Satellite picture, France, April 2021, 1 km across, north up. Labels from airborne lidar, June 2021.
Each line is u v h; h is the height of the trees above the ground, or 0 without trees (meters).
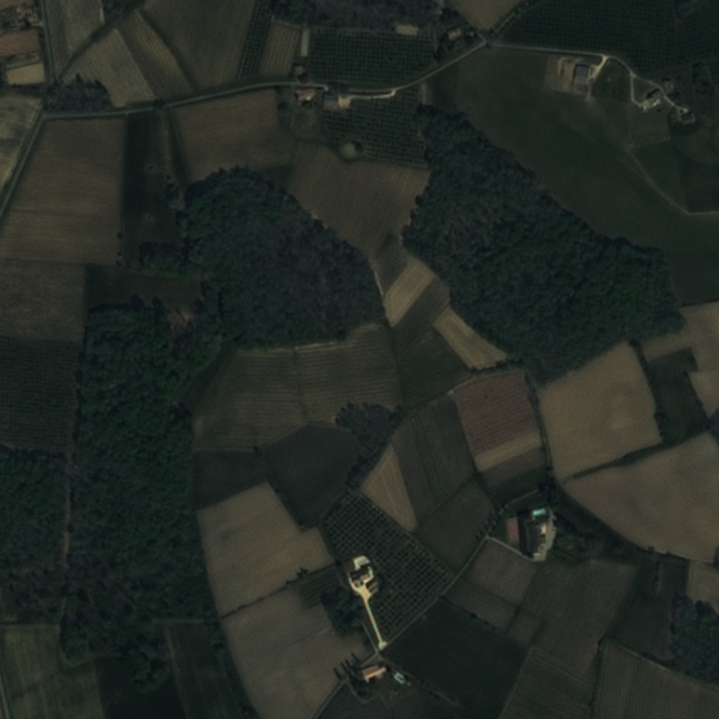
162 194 0
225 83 0
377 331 0
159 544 26
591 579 0
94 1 0
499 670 0
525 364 19
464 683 0
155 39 0
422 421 0
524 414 0
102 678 0
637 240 0
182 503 23
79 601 26
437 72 0
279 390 0
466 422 0
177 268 28
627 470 0
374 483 0
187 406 0
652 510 0
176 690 0
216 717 0
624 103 0
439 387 0
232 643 0
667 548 0
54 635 0
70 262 0
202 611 10
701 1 12
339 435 0
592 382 0
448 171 19
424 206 21
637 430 0
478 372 13
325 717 0
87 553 22
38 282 0
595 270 30
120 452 23
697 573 0
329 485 0
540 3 10
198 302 0
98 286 0
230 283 25
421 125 15
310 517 0
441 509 0
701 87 8
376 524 5
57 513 21
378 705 0
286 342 19
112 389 12
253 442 0
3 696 0
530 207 24
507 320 24
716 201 0
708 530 0
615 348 18
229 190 22
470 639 0
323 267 19
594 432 0
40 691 0
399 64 6
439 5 11
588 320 24
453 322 0
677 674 14
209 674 0
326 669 0
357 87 0
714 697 0
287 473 0
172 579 25
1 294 0
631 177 0
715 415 0
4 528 16
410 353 0
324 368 0
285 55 0
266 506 0
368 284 17
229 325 25
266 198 22
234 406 0
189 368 19
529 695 0
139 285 0
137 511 27
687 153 0
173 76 0
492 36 13
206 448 0
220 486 0
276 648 0
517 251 26
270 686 0
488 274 28
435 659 0
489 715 0
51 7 0
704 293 0
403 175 0
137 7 0
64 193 0
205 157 0
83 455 19
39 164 0
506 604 0
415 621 0
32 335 0
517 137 0
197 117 0
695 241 0
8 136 0
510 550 0
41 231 0
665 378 0
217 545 0
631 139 0
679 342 0
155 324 24
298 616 0
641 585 0
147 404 27
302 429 0
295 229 16
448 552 0
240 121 0
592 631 0
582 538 11
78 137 0
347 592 10
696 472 0
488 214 24
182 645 0
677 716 0
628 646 0
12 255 0
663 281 14
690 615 24
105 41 0
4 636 0
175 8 0
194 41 0
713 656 18
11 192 0
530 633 0
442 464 0
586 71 0
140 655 25
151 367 27
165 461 25
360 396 0
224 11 0
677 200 0
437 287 0
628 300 24
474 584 0
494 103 0
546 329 25
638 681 0
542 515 0
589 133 0
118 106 0
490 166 14
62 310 0
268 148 0
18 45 0
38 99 0
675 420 0
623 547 16
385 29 11
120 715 0
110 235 0
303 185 0
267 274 13
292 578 0
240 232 24
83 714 0
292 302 22
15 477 26
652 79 0
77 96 13
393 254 0
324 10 12
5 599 0
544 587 0
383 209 0
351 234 0
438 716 0
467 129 19
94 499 26
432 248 18
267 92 0
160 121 0
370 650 21
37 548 18
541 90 0
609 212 0
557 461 0
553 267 24
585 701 0
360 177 0
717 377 0
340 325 23
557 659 0
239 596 0
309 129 0
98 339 13
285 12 23
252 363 0
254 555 0
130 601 19
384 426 18
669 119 0
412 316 0
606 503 0
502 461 0
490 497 0
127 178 0
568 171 0
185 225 24
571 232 19
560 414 0
